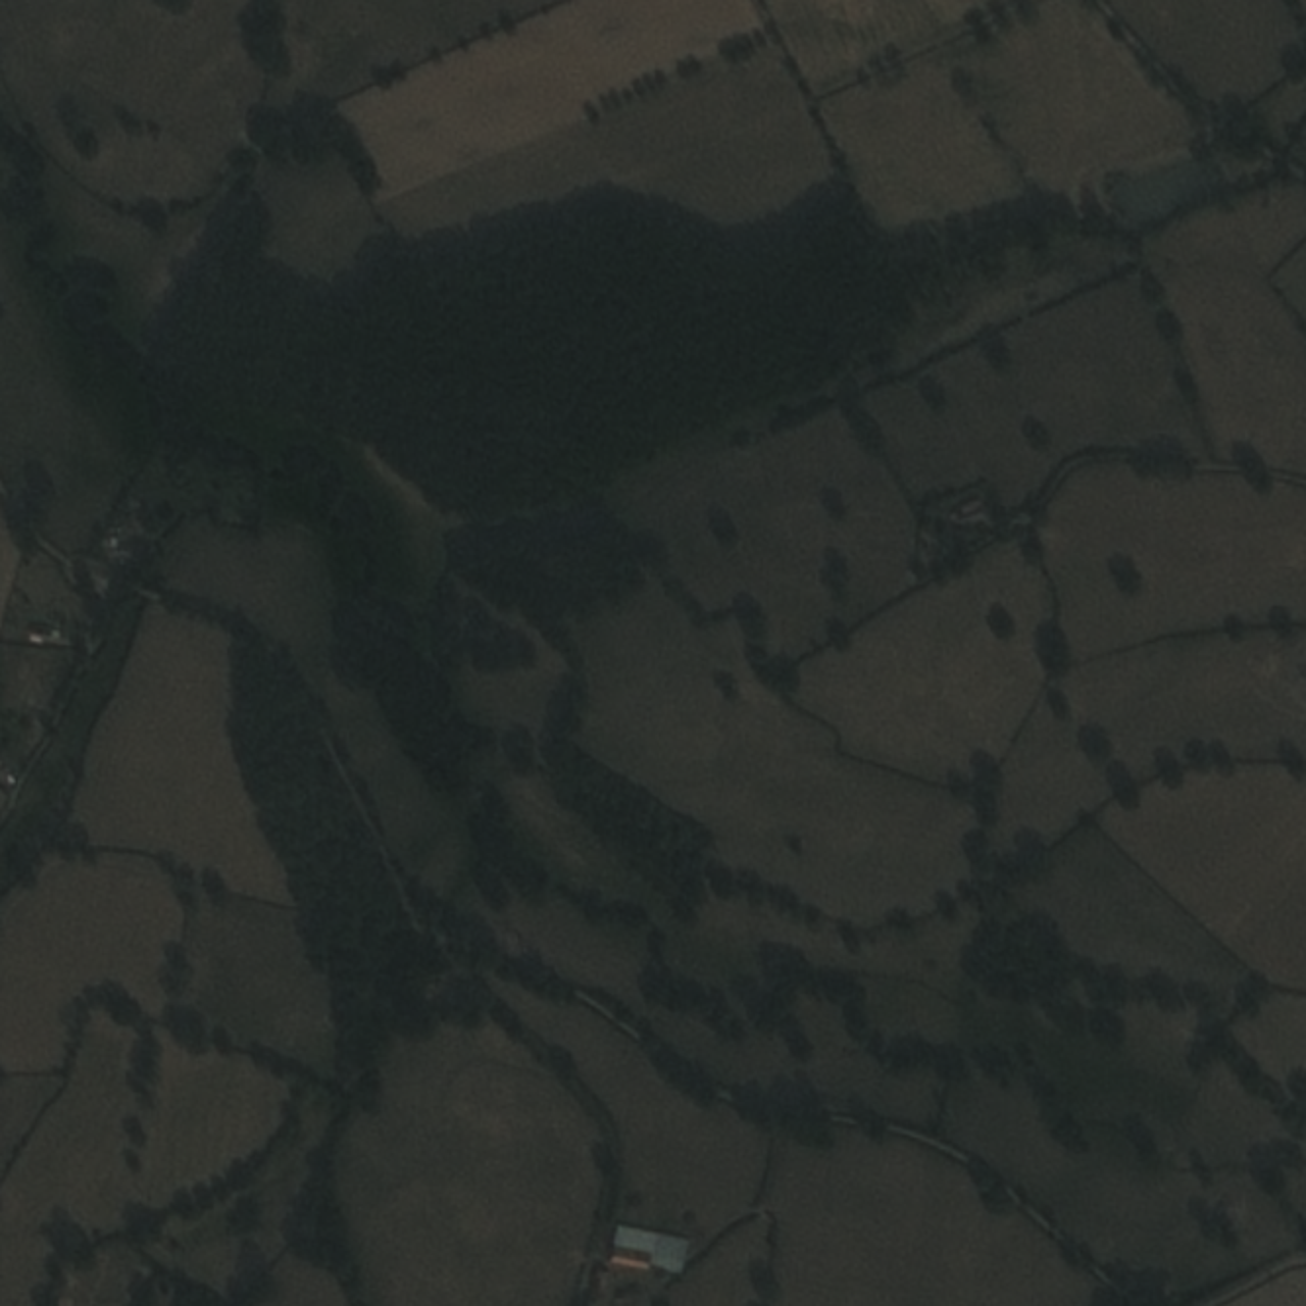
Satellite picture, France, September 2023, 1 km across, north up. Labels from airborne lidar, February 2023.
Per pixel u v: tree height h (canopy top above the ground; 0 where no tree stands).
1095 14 0
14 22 0
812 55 0
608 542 23
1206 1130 0
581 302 27
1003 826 0
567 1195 0
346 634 19
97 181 0
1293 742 0
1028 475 0
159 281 0
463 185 0
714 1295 0
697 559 0
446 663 18
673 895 12
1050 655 19
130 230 0
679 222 21
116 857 0
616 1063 0
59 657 0
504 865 21
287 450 0
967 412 0
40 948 0
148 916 0
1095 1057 0
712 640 0
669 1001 16
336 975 21
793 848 11
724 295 28
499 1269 0
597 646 0
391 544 0
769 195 0
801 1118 24
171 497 0
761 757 0
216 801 0
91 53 0
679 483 0
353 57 0
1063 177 0
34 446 0
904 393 0
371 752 0
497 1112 0
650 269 25
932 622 0
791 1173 0
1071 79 0
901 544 0
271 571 0
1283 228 0
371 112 0
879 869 0
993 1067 18
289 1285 0
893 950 0
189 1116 0
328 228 0
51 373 0
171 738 0
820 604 0
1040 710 0
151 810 0
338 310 21
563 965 0
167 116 0
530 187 0
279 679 21
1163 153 0
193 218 0
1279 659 0
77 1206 0
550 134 0
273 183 0
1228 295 0
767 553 0
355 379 20
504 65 0
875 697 0
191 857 0
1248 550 0
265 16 22
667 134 0
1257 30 0
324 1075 0
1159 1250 0
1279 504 0
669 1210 0
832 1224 0
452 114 0
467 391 24
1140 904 0
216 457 18
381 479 0
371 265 21
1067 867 0
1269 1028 0
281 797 17
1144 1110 0
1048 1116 19
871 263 26
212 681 0
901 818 0
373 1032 24
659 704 0
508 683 0
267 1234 0
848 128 0
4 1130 0
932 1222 0
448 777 22
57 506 0
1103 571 0
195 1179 0
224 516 12
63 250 0
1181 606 0
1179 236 0
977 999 0
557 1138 0
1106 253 0
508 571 19
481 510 22
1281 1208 0
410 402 20
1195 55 0
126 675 0
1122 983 16
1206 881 0
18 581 0
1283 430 0
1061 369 0
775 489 0
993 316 0
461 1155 0
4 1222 0
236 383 22
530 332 24
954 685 0
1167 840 0
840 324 23
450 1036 0
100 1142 0
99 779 0
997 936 12
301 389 20
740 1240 0
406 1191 0
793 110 0
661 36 0
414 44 0
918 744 0
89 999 12
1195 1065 17
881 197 0
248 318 21
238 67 0
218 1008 0
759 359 20
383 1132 0
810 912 13
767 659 10
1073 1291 0
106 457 0
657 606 0
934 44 0
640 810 9
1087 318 0
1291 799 0
